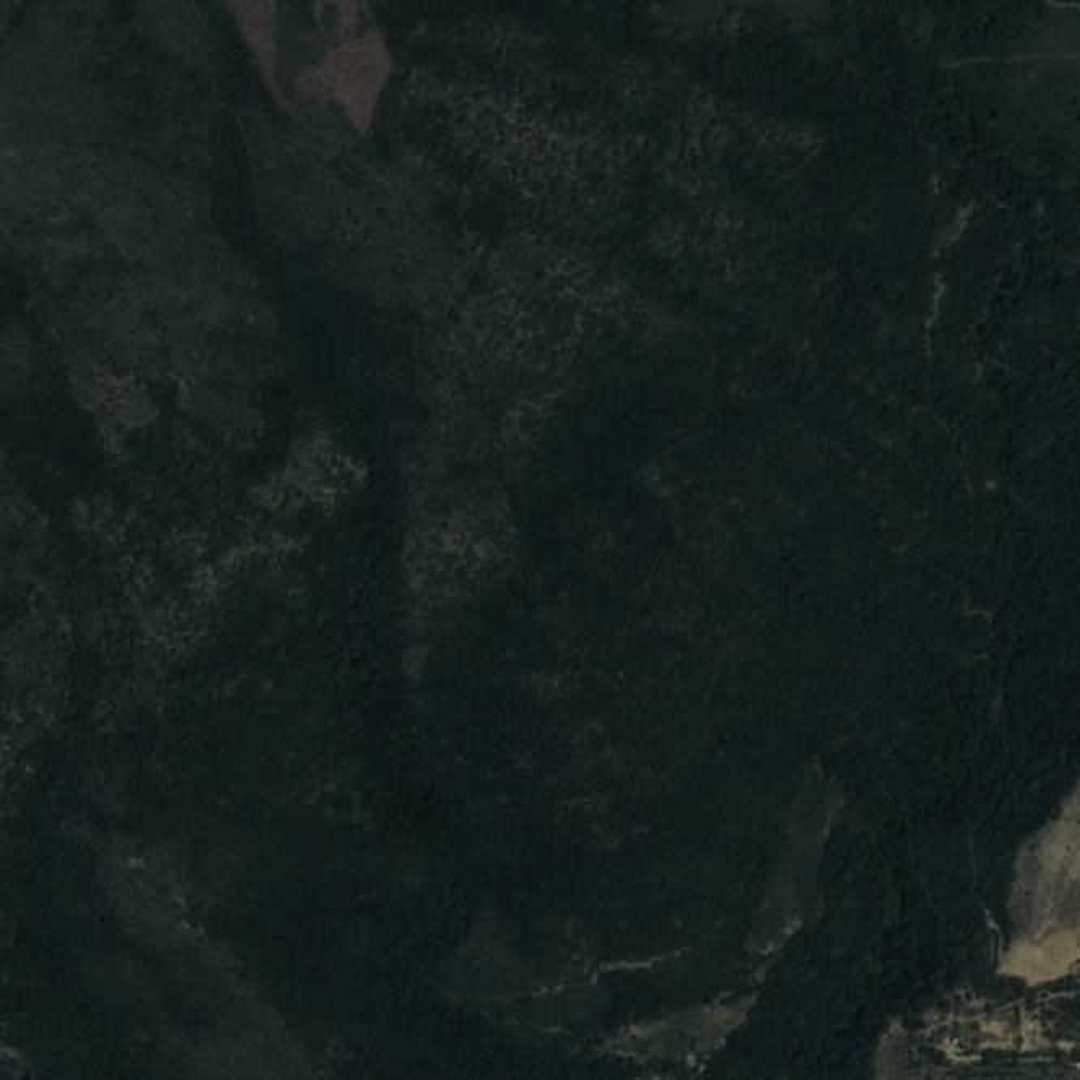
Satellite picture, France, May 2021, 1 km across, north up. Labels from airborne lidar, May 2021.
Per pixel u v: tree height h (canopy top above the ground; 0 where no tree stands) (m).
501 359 9
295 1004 5
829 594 11
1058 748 13
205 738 9
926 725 16
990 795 12
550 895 7
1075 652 7
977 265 12
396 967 12
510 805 7
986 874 8
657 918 7
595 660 8
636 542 10
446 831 26
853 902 8
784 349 8
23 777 9
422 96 9
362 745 12
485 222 5
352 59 0
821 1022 17
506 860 7
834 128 8
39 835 11
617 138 7
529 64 15
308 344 9
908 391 6
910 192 6
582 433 7
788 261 10
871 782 15
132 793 6
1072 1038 7
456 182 7
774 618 6
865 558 9
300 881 7
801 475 7
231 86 6
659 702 7
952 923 8
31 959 8
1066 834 0
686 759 7
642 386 8
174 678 6
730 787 9
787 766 12
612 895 10
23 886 8
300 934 6
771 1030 14
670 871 7
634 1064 7
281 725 6
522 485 7
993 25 9
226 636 8
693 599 7
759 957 6
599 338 8
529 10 7
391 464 7
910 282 7
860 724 13
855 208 7
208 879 7
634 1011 9
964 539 7
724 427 10
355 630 13
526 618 6
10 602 6
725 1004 7
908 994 10
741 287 8
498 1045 14
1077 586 10
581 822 6
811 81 8
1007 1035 0
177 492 5
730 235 11
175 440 11
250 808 7
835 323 8
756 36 9
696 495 12
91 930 6
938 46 6
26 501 7
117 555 6
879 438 5
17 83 0
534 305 10
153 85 6
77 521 6
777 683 9
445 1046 12
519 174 11
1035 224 11
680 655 9
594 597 8
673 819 7
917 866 6
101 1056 9
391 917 9
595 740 7
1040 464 9
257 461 6
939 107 11
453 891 13
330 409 6
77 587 10
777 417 8
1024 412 13
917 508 8
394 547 7
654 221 9
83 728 5
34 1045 7
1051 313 6
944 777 19
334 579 9
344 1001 8
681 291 11
